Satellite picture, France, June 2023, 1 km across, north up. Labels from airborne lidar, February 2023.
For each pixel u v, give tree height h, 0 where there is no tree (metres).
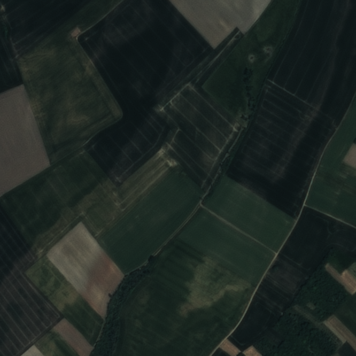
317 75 0
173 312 0
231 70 0
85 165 0
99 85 0
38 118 0
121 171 0
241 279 0
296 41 0
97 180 0
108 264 0
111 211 0
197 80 0
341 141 0
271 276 0
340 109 0
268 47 0
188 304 0
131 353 0
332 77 0
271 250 0
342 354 0
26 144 0
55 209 0
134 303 0
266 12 0
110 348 5
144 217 0
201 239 0
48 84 0
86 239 0
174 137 0
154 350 0
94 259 0
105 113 0
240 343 0
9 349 0
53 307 0
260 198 0
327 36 0
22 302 0
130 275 7
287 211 0
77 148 0
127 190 0
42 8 0
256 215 0
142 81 0
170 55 0
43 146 0
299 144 0
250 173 0
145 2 0
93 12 0
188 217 0
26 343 0
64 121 0
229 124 0
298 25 0
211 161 0
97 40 0
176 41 0
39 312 0
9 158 0
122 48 0
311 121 0
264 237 0
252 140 0
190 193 0
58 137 0
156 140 0
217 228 0
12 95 0
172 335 0
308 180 0
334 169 0
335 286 8
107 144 0
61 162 0
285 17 0
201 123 0
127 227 0
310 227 0
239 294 0
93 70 0
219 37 0
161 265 0
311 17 0
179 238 0
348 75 0
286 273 0
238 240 0
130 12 0
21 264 0
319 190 0
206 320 0
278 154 0
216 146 0
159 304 0
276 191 0
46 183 0
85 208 0
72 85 0
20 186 0
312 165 0
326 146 0
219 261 0
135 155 0
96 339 0
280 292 0
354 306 0
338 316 0
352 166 0
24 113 0
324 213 0
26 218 0
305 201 0
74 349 0
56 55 0
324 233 0
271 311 0
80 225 0
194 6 0
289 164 0
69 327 0
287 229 0
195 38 0
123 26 0
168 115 0
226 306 0
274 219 0
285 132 0
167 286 0
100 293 0
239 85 0
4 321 0
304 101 0
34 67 0
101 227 0
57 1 0
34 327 0
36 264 0
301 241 0
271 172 0
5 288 0
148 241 0
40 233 0
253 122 0
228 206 0
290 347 10
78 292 0
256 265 0
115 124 0
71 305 0
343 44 0
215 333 0
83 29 0
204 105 0
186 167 0
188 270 0
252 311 0
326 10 0
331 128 0
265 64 0
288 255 0
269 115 0
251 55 0
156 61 0
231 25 0
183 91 0
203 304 0
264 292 0
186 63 0
